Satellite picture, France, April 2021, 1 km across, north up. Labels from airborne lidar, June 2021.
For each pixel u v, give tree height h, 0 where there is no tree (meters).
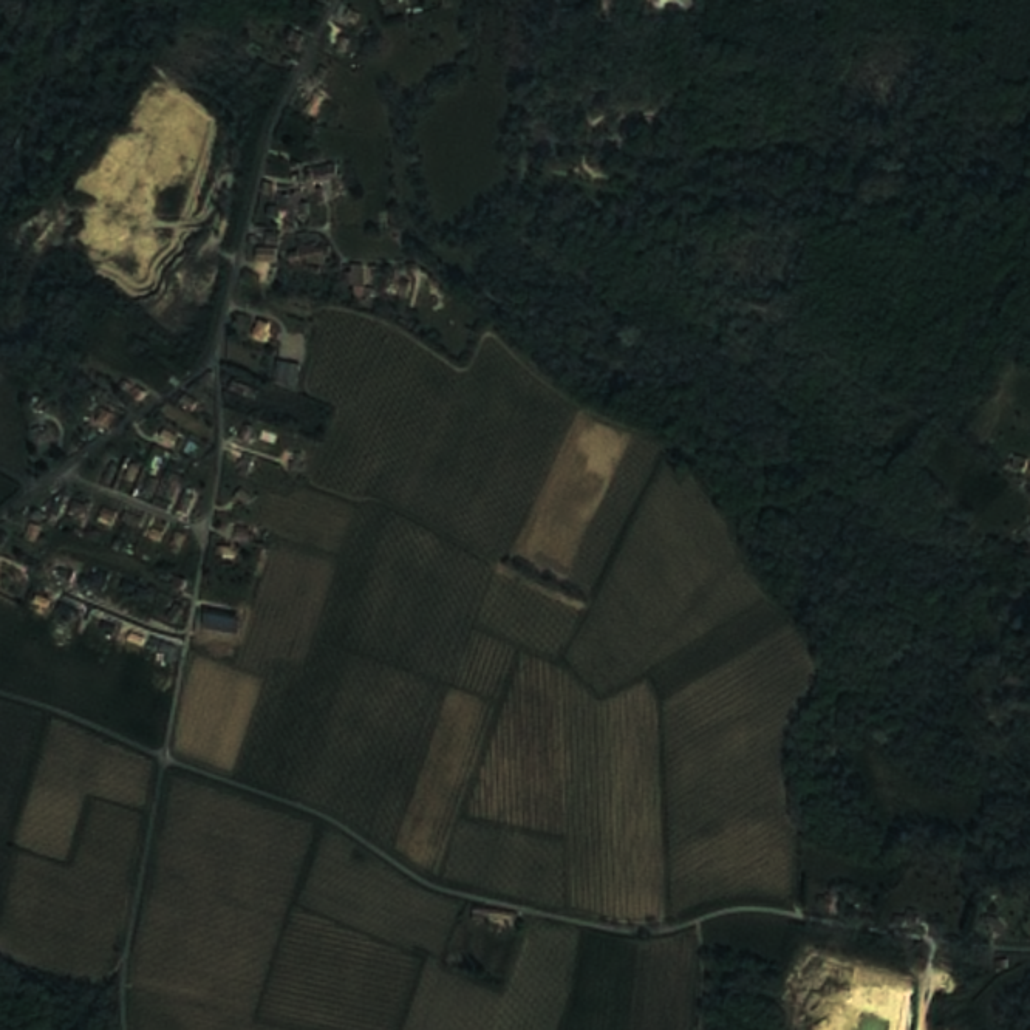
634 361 23
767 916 0
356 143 0
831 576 28
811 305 15
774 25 6
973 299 19
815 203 20
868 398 15
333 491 0
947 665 13
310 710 0
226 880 0
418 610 0
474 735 0
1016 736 17
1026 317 14
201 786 0
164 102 0
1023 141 11
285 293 6
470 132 0
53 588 0
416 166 8
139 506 0
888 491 17
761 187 7
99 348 0
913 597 27
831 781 27
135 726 0
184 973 0
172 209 0
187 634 0
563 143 16
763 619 0
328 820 0
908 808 0
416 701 0
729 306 16
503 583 0
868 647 19
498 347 0
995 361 18
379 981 0
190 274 0
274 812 0
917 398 9
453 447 0
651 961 0
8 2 16
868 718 21
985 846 9
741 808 0
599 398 22
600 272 20
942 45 18
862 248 19
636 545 0
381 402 0
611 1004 0
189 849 0
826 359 15
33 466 9
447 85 21
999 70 10
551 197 17
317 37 0
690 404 26
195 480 0
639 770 0
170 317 0
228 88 8
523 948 0
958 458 0
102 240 0
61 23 12
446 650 0
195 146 0
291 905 0
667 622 0
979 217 22
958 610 24
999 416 0
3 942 0
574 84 18
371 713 0
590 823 0
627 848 0
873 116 20
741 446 27
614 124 16
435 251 15
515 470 0
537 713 0
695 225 13
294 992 0
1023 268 14
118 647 0
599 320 30
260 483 0
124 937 0
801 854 7
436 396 0
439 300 0
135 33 15
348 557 0
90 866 0
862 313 21
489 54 0
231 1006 0
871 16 19
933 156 22
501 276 20
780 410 24
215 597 0
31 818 0
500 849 0
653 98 19
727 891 0
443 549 0
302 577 0
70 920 0
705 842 0
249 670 0
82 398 20
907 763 17
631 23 17
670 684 0
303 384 0
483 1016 0
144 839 0
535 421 0
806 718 16
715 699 0
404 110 23
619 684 0
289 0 14
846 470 20
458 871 0
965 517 15
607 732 0
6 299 14
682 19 19
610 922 8
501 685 0
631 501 0
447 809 0
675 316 22
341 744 0
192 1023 0
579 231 17
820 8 14
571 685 0
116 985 12
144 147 0
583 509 0
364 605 0
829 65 15
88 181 0
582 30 12
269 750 0
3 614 0
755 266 9
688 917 0
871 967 0
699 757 0
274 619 0
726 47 16
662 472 0
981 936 9
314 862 0
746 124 20
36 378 14
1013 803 21
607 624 0
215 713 0
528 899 0
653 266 14
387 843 0
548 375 15
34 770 0
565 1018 0
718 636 0
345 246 0
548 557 0
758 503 26
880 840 16
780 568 24
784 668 0
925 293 18
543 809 0
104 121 9
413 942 0
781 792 0
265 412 5
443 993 0
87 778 0
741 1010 23
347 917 0
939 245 15
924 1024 0
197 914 0
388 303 10
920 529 17
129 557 0
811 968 0
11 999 21
